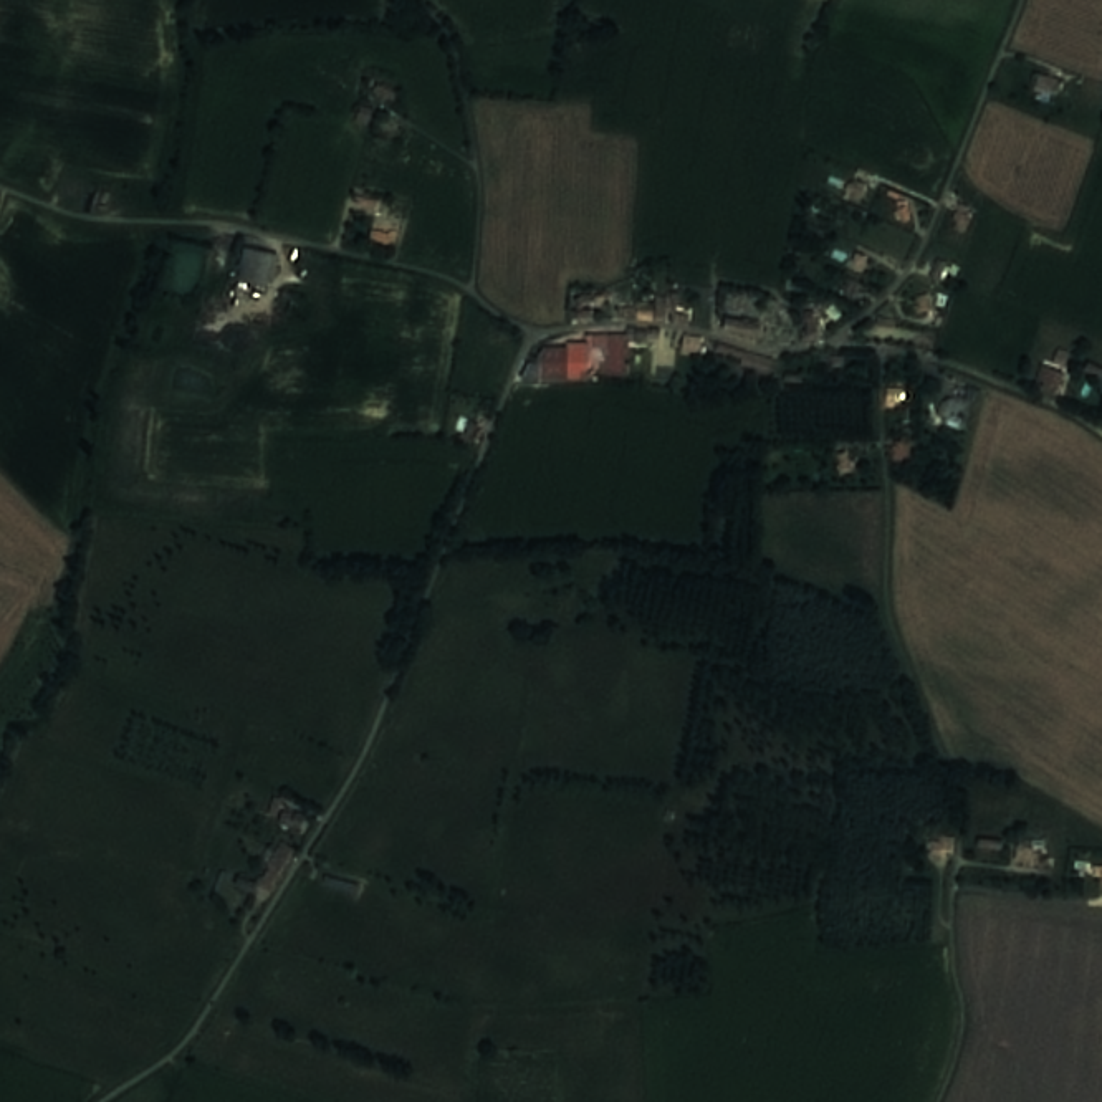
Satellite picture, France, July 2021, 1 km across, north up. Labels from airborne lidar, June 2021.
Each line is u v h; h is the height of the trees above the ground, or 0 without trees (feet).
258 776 0
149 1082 0
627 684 0
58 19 0
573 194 0
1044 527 0
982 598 0
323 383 0
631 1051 0
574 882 0
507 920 0
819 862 41
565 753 0
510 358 0
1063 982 0
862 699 66
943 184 0
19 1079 0
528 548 52
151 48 0
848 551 0
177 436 0
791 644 51
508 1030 0
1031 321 0
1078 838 0
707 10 0
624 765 0
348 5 0
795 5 0
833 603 56
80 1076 0
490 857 0
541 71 0
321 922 0
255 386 0
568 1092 0
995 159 0
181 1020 0
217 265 0
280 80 0
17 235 0
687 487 0
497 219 0
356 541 0
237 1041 0
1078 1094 0
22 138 0
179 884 0
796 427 54
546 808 0
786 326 0
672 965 54
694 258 0
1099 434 0
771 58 0
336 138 0
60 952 38
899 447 0
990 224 0
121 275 0
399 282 0
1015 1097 0
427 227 0
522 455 0
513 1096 0
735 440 0
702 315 0
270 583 0
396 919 0
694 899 0
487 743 0
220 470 0
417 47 0
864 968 0
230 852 0
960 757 0
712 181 0
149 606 0
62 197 0
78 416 0
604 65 0
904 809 48
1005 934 0
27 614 0
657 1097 0
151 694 0
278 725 0
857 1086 0
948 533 0
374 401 0
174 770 48
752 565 74
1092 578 0
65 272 0
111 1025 0
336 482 0
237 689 0
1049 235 0
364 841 0
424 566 41
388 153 0
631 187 0
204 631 0
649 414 0
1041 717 0
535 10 0
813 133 0
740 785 57
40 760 0
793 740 59
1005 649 0
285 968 0
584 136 0
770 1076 0
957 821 38
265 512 0
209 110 0
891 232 0
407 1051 0
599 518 0
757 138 0
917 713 54
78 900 0
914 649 0
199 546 0
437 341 0
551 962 0
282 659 0
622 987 0
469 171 0
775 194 0
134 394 0
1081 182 0
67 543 0
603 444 0
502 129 0
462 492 39
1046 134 0
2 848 0
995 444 0
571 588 21
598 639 0
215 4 0
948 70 0
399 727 0
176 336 0
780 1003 0
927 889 44
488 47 0
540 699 0
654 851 0
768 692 74
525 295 0
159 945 0
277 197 0
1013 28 0
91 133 0
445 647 0
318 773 0
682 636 71
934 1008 0
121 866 0
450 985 0
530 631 43
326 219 0
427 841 0
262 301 0
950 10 0
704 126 0
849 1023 0
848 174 0
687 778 61
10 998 0
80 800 0
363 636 0
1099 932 0
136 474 0
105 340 0
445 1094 0
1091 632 0
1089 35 0
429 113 0
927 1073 0
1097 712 0
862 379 25
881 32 0
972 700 0
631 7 0
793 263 36
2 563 0
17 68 0
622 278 0
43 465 0
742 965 0
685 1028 0
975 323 0
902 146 0
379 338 0
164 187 52
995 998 0
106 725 0
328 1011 0
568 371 0
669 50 0
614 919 0
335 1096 0
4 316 0
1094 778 0
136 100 0
